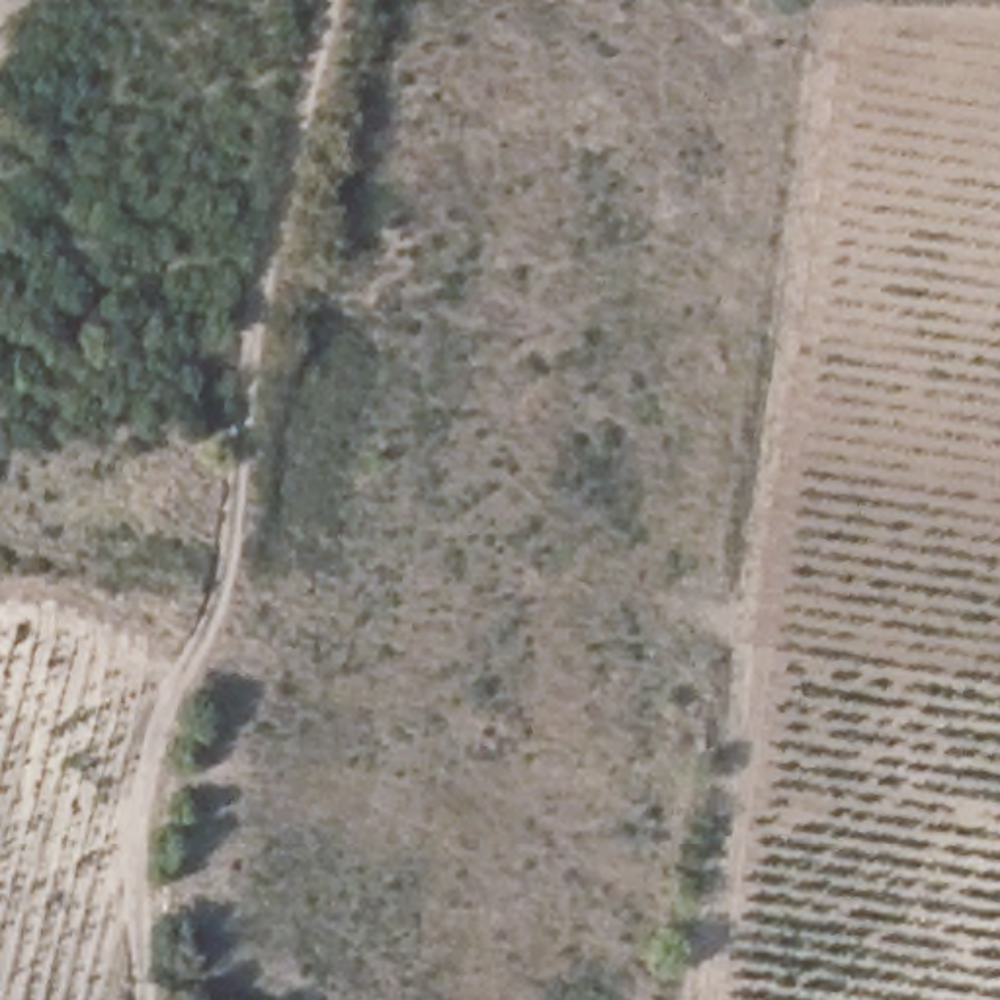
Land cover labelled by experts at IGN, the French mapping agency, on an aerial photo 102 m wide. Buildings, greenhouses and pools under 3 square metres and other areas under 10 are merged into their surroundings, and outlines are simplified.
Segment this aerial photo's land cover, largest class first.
<instances>
[{"label":"herbaceous vegetation","instance_id":"1","mask_svg":"<svg viewBox=\"0 0 1000 1000\"><path fill-rule=\"evenodd\" d=\"M813 0H375L367 23L379 31L367 74L355 90L359 102L340 113V129L352 141V172L340 184V227L348 238L344 258L301 262L297 223L305 211V195L293 191L281 215L277 250L270 258L281 281L320 289L332 305H340L344 316H355L367 328L375 348H395L398 359L375 367V391L383 406L363 410V418L371 422V438H363L355 449V492L352 504L340 508L348 523L344 563L352 574L336 578L313 570L277 578L254 574L242 563L230 617L207 656L211 672L254 680L262 691L258 707L238 727V738L219 766L176 770L180 789L234 785L238 801L219 805V813L234 816L238 828L211 852L203 871L180 883H164L172 910H184L199 898L227 902V930L234 941L230 957L238 965H258V988L270 1000H688L684 973L711 961L730 941V918L715 891L723 887V848L734 813V801L727 793L730 773L742 770L750 758L746 742H730L723 734L734 684L730 645L711 629H699L695 621L703 617L707 602L727 605L742 598V574L746 520L754 508L762 457V418L777 355V266L785 258L781 234L797 172L801 70L805 55L813 51V35L820 31V20L809 12ZM379 184H395L406 195V203L414 207L410 227H379L371 203V191ZM254 473L242 461H219V445L211 438L195 441L184 434V426H168V445L141 457L133 453L125 426L109 434L105 445L66 441L59 453L12 449L0 430V602H55L59 609H74L109 629L145 633L148 656L176 660L199 633V625L211 617L215 594H203L195 586L191 594L176 598H156L141 590L105 594L102 586H90L82 578L51 582L43 574L51 570V563H74L90 527L113 523H133L137 531L184 543H211L219 551L223 523L230 516L242 520L250 531L258 523V500L250 484Z\"/></svg>","mask_w":1000,"mask_h":1000},{"label":"vineyard","instance_id":"2","mask_svg":"<svg viewBox=\"0 0 1000 1000\"><path fill-rule=\"evenodd\" d=\"M809 12L820 20V31L813 35V51L805 55L801 70L797 172L781 234L785 258L777 266V355L762 418V457L754 508L746 520L742 574L762 586L754 613V648L785 652V668L777 664L770 672V691L781 699L777 715L789 727L777 750L801 754V762H781L777 781L770 789V805L789 809L793 793L855 797L859 809H832L836 816L898 824L914 828V836L859 832L813 820L797 824L793 836H762V848L785 844L797 848L801 859L766 855L758 871H750L754 898L746 914L758 926L789 930V938L750 934L754 949H742L734 957V988L742 992L738 1000H1000V0H813ZM250 531L242 520L230 516L223 523L219 551L215 594L211 617L199 625V633L176 660L148 656L145 633L109 629L74 609H59L55 602H0V1000H152V926L172 910L164 883L148 879V836L172 820V797L180 789L176 770L164 762V754L180 723V707L211 672L207 656L230 617L242 563V543Z\"/></svg>","mask_w":1000,"mask_h":1000},{"label":"deciduous trees","instance_id":"3","mask_svg":"<svg viewBox=\"0 0 1000 1000\"><path fill-rule=\"evenodd\" d=\"M328 0H0V430L12 449L59 453L66 441L105 445L109 434L125 426L133 453L141 457L168 445V426H184V434L195 441L211 438L219 445V461H242L250 453V430L242 332L254 324L258 305L277 297L281 281L270 258L277 250L281 215L293 191L301 105L305 74L324 31ZM262 691L254 680L211 672L180 707V723L164 754V762L176 770L219 766L238 738V727L258 707ZM238 801L234 785L180 789L172 797V820L148 836V879L164 883H180L203 871L211 852L238 828L234 816L219 813V805ZM227 902L199 898L184 910H172L152 926V1000H270L258 988V965H238L230 957L234 941L227 930Z\"/></svg>","mask_w":1000,"mask_h":1000},{"label":"brushwood","instance_id":"4","mask_svg":"<svg viewBox=\"0 0 1000 1000\"><path fill-rule=\"evenodd\" d=\"M375 0H348V43L336 63V82L324 90L316 113H305L301 105L293 191L305 195V211L297 223L301 262L344 258L348 238L340 227V184L352 172V141L340 129V113L359 102L355 90L367 74L379 31L367 23ZM371 203L379 227H410L414 207L406 203V195L395 184H379L371 191ZM254 324L266 328V422L250 430V453L242 461L254 473L250 484L258 500V523L250 531L242 543V563L254 574L277 578L313 570L336 578L352 574L344 563L348 523L340 508L352 504L355 492V449L363 438H371V422L363 418V410L383 406L375 391V367L398 359L395 348H375L367 328L355 316H344L340 305H332L320 289L281 281L277 297L258 305ZM51 582L82 578L90 586H102L105 594L141 590L156 598H176L191 594L195 586L203 594H215L219 551L211 543H184L137 531L133 523H113L90 527L74 563H51V570L43 574Z\"/></svg>","mask_w":1000,"mask_h":1000},{"label":"plowed land","instance_id":"5","mask_svg":"<svg viewBox=\"0 0 1000 1000\"><path fill-rule=\"evenodd\" d=\"M742 598L727 605L707 602L703 617L695 621L699 629H711L730 645L734 684L723 734L730 742H746L750 758L742 770L730 773L727 793L734 801V813L723 848V887L715 891L730 918V941L711 961L684 973L688 1000H738L742 992L734 988V957L742 949H754L750 934L789 938V930L758 926L746 914L754 898L750 871H758L766 855L801 859L797 848L785 844L762 848V836H793L797 824L813 820L859 832L914 836V828L898 824L836 816L832 809H859L855 797L793 793L789 809L770 805V789L777 781L781 762H801V754L777 750L789 727L777 715L781 699L770 691V672L777 664L785 668V652L754 648V613L762 586L742 574Z\"/></svg>","mask_w":1000,"mask_h":1000},{"label":"pervious surface","instance_id":"6","mask_svg":"<svg viewBox=\"0 0 1000 1000\"><path fill-rule=\"evenodd\" d=\"M348 0H328L324 31L305 74L301 105L305 113H316L324 90L336 82V63L348 43ZM266 328L254 324L242 332L250 430L266 422Z\"/></svg>","mask_w":1000,"mask_h":1000}]
</instances>
